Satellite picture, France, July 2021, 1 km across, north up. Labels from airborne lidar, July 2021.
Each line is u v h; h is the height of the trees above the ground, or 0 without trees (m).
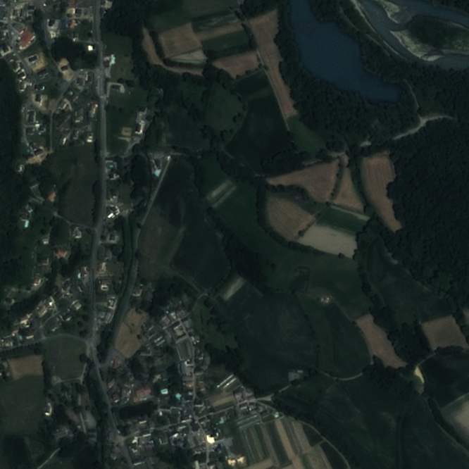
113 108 7
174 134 0
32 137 0
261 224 18
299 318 0
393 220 0
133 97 0
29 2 0
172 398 14
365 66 15
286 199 0
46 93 0
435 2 21
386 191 0
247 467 0
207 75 23
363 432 0
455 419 0
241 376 7
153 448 7
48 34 0
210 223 0
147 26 14
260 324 0
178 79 8
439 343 0
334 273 0
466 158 27
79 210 0
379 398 0
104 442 8
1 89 20
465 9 24
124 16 22
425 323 0
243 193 0
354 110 31
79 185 0
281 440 0
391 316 17
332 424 0
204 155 16
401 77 17
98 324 0
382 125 10
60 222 23
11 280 17
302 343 0
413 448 0
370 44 15
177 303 0
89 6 0
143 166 22
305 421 8
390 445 0
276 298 0
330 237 0
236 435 0
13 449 0
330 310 0
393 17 0
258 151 0
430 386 9
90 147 0
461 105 33
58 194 6
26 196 20
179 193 0
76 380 0
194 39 0
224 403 0
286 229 0
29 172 12
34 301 12
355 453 6
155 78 26
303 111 7
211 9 0
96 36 0
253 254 19
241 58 0
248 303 0
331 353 0
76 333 0
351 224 0
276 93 0
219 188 0
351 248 0
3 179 18
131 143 0
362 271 9
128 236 14
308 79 19
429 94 7
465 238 16
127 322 0
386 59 17
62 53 22
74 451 21
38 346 12
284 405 16
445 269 21
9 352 9
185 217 0
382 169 0
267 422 0
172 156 7
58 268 14
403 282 0
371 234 28
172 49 0
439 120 7
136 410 0
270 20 0
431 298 0
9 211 18
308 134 0
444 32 6
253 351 0
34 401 0
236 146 0
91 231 13
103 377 12
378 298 14
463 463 0
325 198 0
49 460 0
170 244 0
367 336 0
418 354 15
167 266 0
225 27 0
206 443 0
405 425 0
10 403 0
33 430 0
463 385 0
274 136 0
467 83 26
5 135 14
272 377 0
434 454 0
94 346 0
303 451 0
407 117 11
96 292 7
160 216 0
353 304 0
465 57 0
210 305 13
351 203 0
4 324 7
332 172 0
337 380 7
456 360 0
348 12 13
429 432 0
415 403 0
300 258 0
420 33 16
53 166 0
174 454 7
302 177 0
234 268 16
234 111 0
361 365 0
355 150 27
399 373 18
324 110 27
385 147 16
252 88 0
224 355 19
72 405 12
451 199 22
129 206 0
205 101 17
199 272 0
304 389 0
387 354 0
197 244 0
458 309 11
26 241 0
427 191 20
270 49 0
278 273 0
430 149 19
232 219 0
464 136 17
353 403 0
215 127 0
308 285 0
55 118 14
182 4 0
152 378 9
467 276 25
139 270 10
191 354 0
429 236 10
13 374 0
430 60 0
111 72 0
